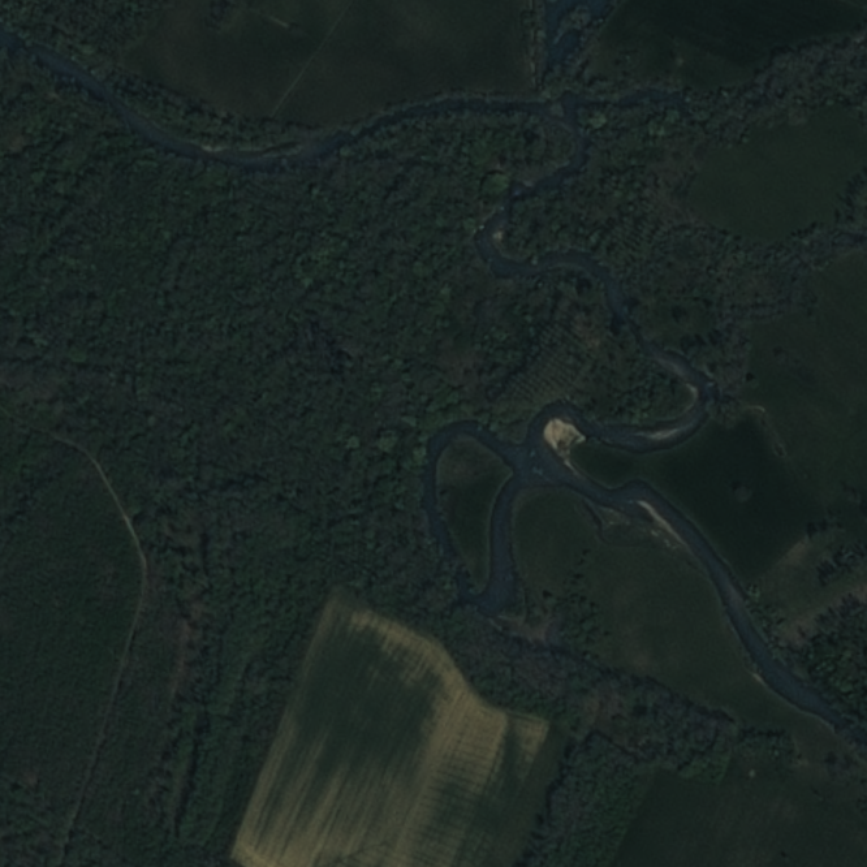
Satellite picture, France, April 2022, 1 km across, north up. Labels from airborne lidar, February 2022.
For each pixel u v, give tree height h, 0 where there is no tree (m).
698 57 0
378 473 18
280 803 0
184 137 7
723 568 0
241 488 13
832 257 9
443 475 0
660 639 0
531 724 0
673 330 0
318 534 20
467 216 15
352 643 0
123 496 13
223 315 19
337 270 12
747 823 0
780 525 0
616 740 0
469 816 0
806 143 0
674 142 9
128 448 11
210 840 18
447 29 0
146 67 0
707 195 0
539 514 0
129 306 16
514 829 0
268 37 0
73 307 26
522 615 6
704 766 31
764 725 0
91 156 6
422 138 17
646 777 26
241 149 12
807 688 0
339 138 0
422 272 12
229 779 26
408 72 0
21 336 28
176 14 0
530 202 16
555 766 0
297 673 7
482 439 0
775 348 0
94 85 0
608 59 0
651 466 0
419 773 0
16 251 21
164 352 27
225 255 13
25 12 17
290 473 26
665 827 0
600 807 25
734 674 0
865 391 0
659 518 0
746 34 0
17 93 30
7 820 25
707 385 0
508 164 17
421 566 21
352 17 0
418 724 0
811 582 0
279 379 16
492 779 0
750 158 0
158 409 16
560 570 0
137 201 15
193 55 0
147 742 13
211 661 15
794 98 30
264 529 26
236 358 16
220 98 0
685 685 0
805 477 0
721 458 0
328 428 17
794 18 0
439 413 10
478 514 0
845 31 0
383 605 24
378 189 25
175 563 25
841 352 0
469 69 0
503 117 12
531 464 0
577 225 8
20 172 19
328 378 23
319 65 0
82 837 21
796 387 0
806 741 0
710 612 0
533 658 32
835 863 0
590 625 10
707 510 0
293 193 22
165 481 17
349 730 0
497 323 8
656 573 0
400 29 0
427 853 0
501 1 0
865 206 32
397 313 17
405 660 0
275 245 15
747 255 10
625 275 10
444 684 0
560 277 7
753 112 19
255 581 23
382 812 0
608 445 0
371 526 26
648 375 11
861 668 0
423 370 17
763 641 0
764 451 0
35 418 16
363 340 19
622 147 20
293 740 0
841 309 0
